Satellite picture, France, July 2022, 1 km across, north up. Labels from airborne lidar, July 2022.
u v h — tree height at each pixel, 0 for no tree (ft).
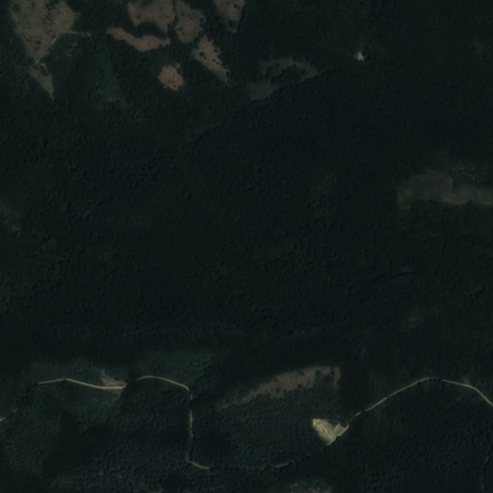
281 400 32
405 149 67
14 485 33
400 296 27
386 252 47
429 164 51
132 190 61
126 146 49
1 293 37
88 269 61
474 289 84
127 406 50
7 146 75
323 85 82
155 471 66
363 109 56
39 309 76
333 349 32
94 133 72
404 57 49
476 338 23
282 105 72
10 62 58
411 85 56
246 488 53
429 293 40
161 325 26
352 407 45
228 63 52
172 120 35
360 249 50
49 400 41
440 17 39
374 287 70
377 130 66
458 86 55
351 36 42
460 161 49
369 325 27
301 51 47
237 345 40
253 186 82
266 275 71
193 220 69
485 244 54
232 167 103
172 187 74
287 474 45
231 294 65
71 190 104
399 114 63
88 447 33
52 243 91
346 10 37
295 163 55
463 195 0
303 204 64
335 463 27
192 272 72
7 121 54
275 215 68
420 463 68
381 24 37
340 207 55
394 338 49
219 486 74
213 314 71
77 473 38
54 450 46
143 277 77
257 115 70
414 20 32
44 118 45
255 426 33
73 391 37
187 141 33
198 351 39
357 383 56
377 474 64
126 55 40
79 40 20
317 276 33
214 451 60
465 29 49
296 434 42
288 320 48
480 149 47
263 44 41
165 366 40
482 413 78
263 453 72
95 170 71
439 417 59
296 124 45
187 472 68
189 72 30
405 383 34
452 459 87
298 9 21
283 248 24
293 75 34
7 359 57
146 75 36
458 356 46
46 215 72
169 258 73
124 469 63
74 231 80
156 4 0
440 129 73
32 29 0
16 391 40
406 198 0
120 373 33
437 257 88
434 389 59
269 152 52
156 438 63
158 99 38
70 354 32
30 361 25
